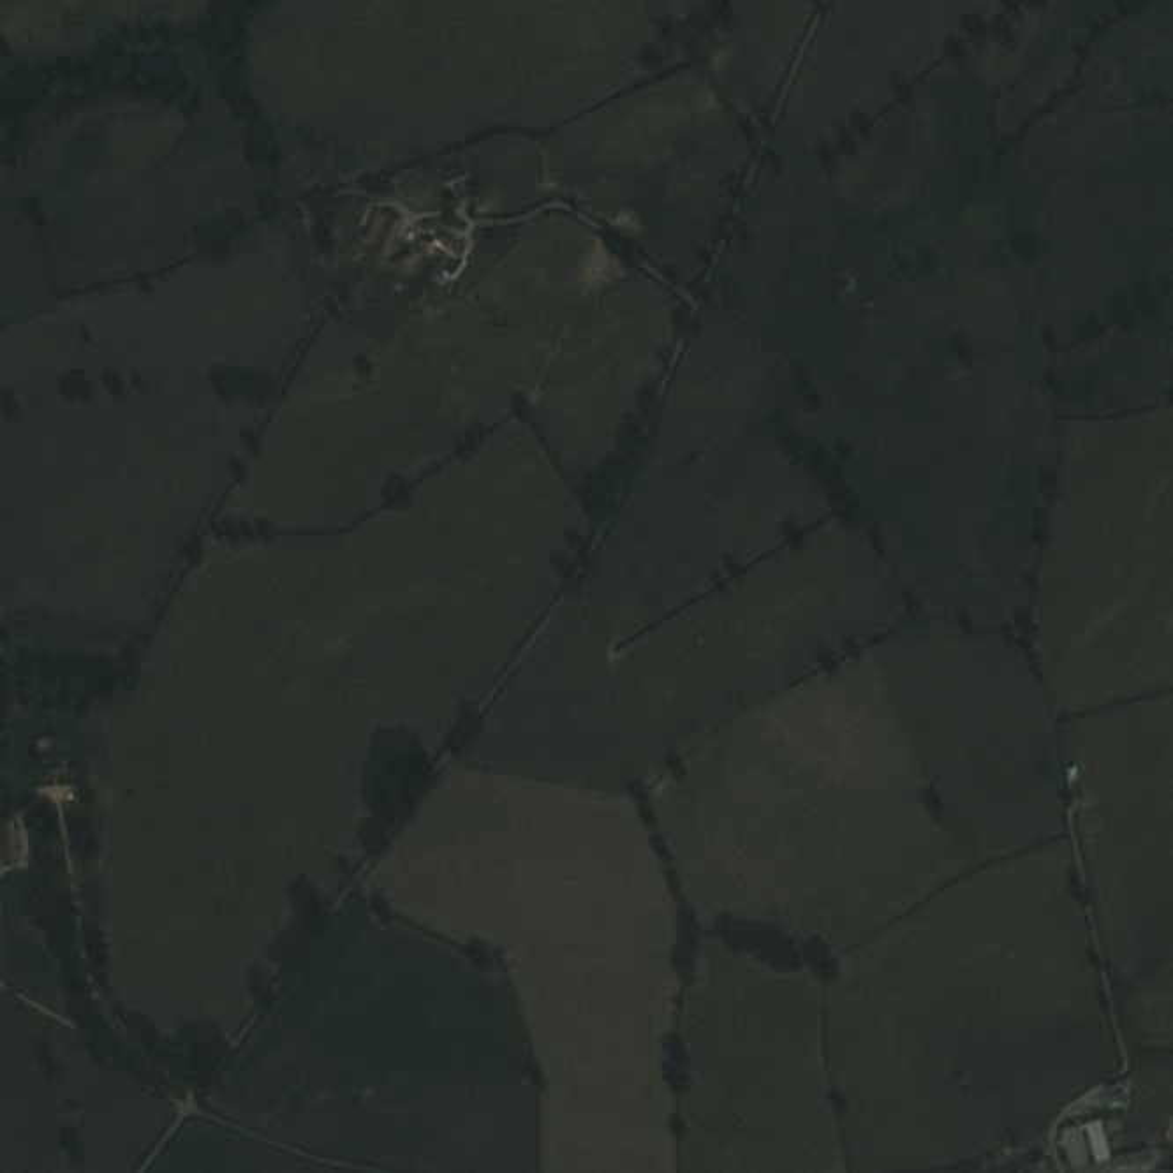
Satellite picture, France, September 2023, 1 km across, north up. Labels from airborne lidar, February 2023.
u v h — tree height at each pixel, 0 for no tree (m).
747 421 0
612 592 0
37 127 0
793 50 0
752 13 0
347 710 0
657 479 0
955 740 0
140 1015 0
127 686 16
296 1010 0
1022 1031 0
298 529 0
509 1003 0
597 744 0
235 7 22
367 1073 0
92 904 0
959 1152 0
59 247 0
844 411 0
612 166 0
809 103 0
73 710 19
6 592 0
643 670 0
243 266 0
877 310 0
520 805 0
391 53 0
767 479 0
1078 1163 0
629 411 0
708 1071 0
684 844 0
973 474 0
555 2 0
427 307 0
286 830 0
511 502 0
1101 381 0
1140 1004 0
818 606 0
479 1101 0
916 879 0
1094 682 0
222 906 0
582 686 0
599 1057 0
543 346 0
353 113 0
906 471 0
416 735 0
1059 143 0
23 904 0
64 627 0
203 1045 25
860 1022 0
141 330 0
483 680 0
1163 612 0
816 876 0
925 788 0
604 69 0
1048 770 0
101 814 0
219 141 0
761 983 0
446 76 0
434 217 0
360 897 0
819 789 0
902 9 0
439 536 0
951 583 0
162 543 0
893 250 0
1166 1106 0
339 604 0
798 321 0
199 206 0
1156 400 0
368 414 0
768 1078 0
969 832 0
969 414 0
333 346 0
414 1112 0
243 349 0
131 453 0
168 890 0
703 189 0
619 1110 0
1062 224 0
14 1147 0
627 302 0
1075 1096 0
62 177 0
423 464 0
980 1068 0
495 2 0
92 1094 0
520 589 0
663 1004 0
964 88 0
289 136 0
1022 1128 0
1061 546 0
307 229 0
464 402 0
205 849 0
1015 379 0
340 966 0
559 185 0
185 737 0
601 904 0
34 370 0
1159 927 0
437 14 0
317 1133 0
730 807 0
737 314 0
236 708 0
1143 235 0
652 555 0
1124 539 0
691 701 0
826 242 0
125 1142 0
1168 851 0
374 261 0
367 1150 0
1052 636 0
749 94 0
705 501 0
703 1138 0
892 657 0
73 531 0
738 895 0
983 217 0
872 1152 0
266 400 15
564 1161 0
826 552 0
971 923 0
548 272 0
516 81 0
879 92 0
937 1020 0
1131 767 0
